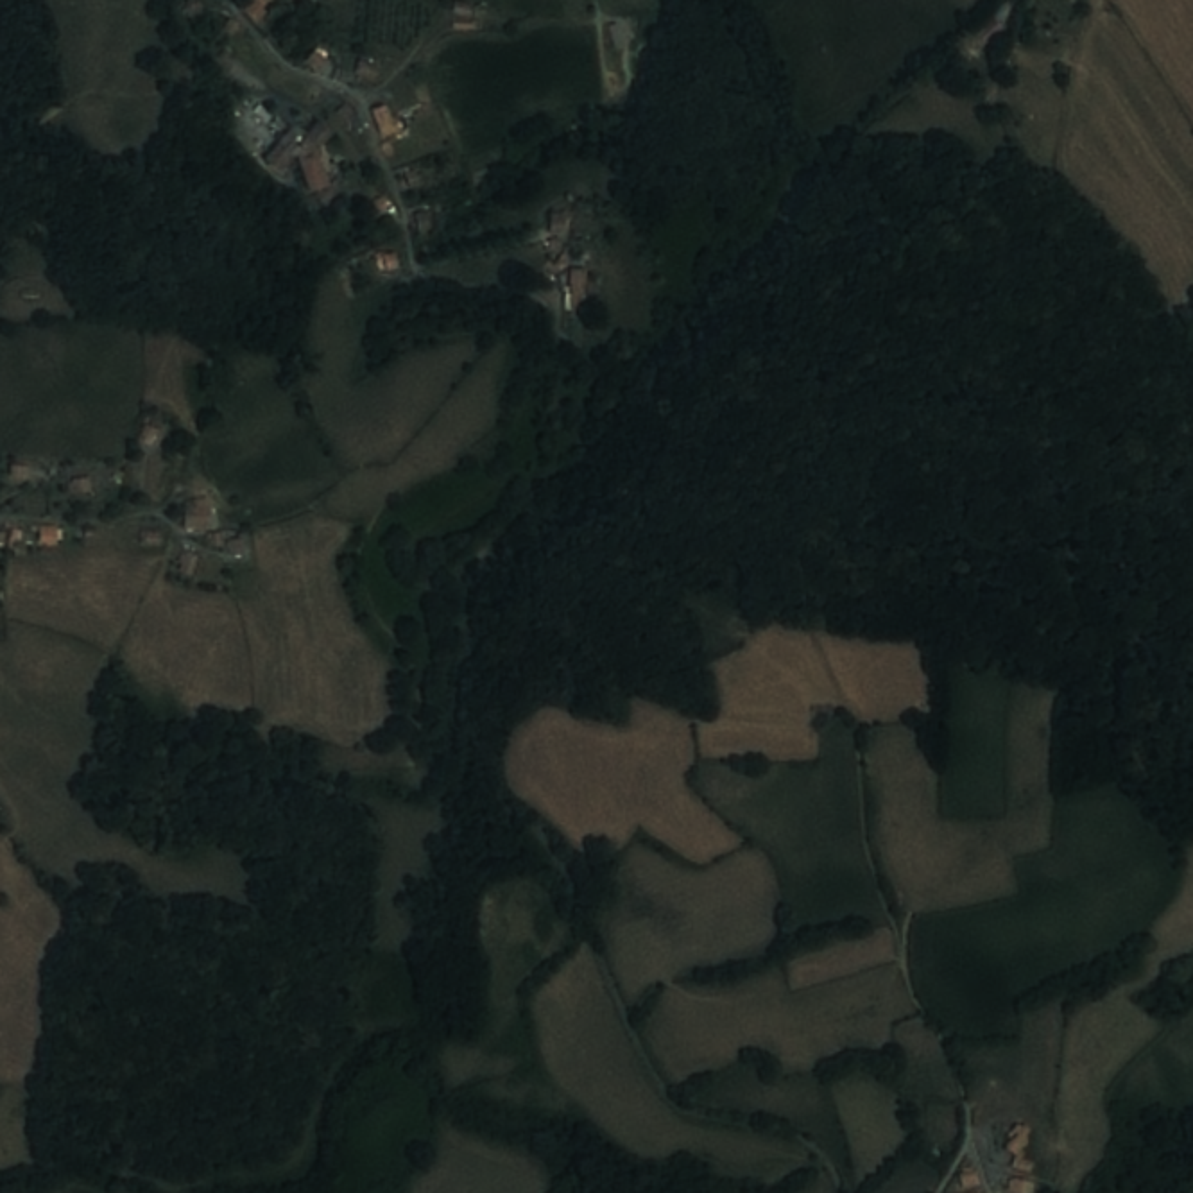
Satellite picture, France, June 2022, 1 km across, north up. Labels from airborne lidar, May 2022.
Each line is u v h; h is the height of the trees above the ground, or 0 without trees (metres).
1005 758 0
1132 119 0
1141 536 33
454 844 20
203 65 23
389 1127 0
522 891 0
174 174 24
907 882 0
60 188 24
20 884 0
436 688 25
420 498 0
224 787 28
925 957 0
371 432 0
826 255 25
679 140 32
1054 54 0
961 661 24
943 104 0
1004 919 0
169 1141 21
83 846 0
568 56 0
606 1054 0
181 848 16
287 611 0
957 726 0
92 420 0
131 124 0
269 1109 18
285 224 15
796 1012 0
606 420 24
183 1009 24
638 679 15
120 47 0
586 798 0
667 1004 0
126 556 0
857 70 0
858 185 32
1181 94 0
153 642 0
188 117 21
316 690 0
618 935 0
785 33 0
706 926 0
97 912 22
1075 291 20
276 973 21
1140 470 27
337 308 0
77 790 16
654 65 30
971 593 28
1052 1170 0
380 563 0
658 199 20
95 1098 21
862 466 22
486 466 8
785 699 0
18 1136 0
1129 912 0
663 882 0
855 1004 0
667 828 0
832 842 0
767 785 0
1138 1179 10
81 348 0
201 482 0
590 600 19
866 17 0
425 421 0
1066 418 21
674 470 24
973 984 0
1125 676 27
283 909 22
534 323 18
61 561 0
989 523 29
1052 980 11
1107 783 9
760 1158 0
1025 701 0
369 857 24
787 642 0
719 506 23
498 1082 0
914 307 20
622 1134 0
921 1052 0
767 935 0
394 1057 19
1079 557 29
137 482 0
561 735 0
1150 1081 0
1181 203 0
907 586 20
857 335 25
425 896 20
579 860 19
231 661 0
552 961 8
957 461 25
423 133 0
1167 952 0
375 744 20
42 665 0
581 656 9
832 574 22
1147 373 23
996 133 0
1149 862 0
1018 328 15
